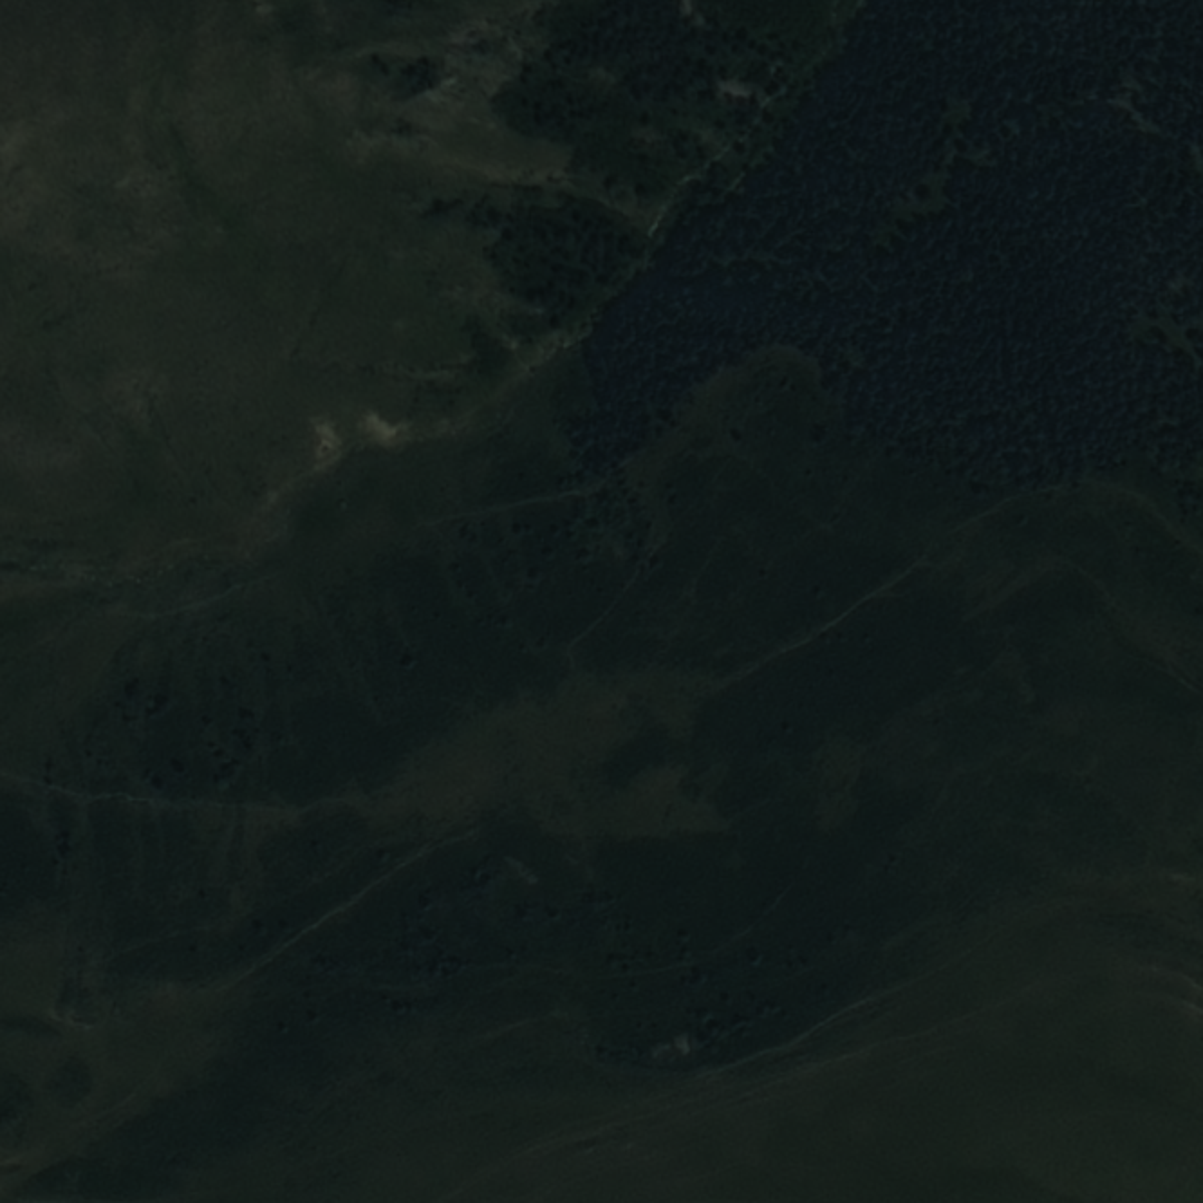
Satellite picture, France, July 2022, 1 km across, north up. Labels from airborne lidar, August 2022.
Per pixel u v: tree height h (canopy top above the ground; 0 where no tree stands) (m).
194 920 0
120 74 0
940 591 0
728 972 0
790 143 8
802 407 0
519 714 0
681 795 0
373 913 0
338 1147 0
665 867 0
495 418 0
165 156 0
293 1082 0
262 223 0
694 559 0
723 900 0
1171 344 10
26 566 0
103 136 0
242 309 0
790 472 0
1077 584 0
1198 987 0
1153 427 12
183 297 0
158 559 0
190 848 0
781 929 0
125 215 0
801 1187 0
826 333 24
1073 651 0
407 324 0
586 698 0
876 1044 0
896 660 0
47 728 0
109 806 0
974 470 7
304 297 0
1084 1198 0
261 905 0
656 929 0
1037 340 21
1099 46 17
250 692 0
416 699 0
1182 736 0
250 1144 0
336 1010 0
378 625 0
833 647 0
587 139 7
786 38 6
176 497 0
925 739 0
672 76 22
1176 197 15
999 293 24
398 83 0
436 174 0
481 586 0
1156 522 0
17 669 0
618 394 24
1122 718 0
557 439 0
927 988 0
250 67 0
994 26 20
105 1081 0
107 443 0
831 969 0
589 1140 0
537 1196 0
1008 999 0
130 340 0
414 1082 0
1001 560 0
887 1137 0
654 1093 0
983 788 0
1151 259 22
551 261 8
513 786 0
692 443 0
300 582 0
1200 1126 0
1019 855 0
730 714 0
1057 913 0
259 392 0
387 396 0
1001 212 17
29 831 0
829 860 0
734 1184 0
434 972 7
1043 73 13
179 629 0
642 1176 0
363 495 0
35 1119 0
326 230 0
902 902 0
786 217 23
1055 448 19
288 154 0
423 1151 0
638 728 0
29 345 0
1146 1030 0
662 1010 0
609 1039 0
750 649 0
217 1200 0
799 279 12
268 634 0
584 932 0
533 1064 0
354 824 0
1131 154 11
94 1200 0
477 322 5
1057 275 12
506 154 0
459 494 0
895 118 25
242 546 0
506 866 0
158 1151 0
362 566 0
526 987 0
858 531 0
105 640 0
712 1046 10
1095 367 23
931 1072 0
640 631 0
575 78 6
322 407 0
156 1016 0
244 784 0
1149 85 30
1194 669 0
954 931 0
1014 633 0
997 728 0
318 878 0
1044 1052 0
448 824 0
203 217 0
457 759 0
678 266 27
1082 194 11
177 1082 0
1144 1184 0
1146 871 0
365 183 0
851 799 0
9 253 0
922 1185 0
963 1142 0
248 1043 0
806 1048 0
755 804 0
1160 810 0
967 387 25
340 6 0
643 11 25
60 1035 0
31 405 0
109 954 0
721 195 17
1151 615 0
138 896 0
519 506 0
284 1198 0
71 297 0
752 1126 0
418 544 0
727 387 0
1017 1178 0
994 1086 0
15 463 0
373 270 0
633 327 20
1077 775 0
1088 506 0
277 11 0
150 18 0
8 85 0
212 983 0
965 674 0
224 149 0
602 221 18
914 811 0
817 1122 0
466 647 0
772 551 0
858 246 21
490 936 0
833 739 0
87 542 0
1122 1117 0
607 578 0
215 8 0
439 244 0
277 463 0
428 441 0
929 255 22
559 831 0
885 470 0
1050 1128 0
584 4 9
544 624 0
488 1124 0
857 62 14
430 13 0
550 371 0
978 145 15
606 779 0
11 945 0
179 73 0
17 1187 0
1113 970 0
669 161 9
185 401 0
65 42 0
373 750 0
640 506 8
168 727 0
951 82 25
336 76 0
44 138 0
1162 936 0
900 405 22
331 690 0
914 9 22
